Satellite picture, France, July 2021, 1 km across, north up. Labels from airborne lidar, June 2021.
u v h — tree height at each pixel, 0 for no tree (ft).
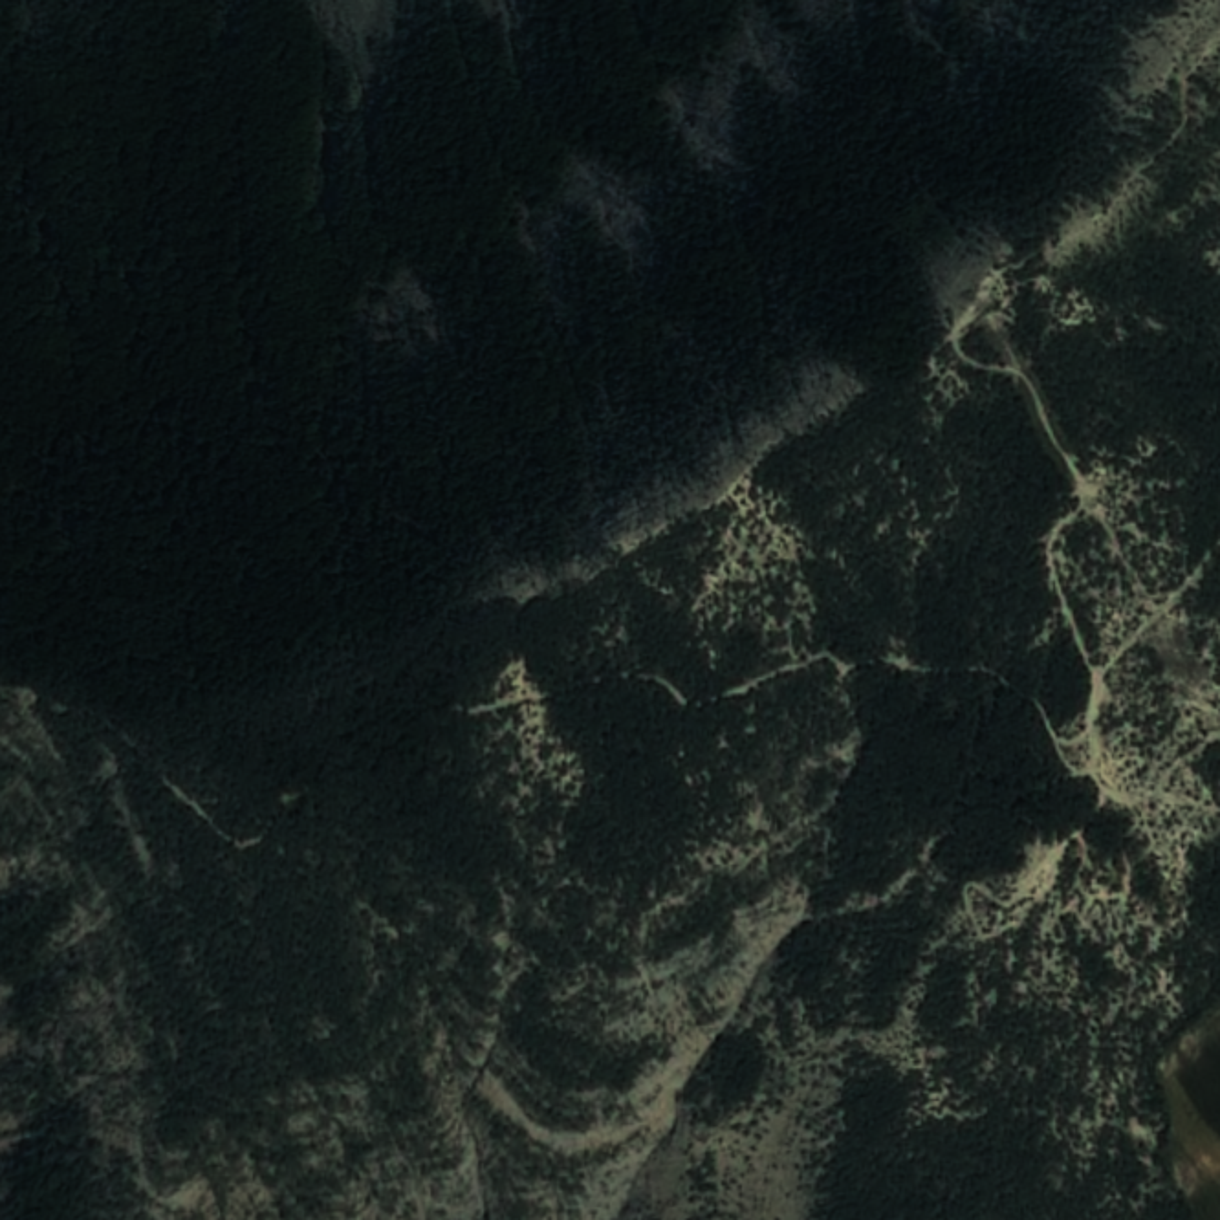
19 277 94
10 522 60
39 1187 36
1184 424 24
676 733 21
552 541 43
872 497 22
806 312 28
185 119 87
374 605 60
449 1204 0
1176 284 25
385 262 50
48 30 29
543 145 64
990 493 24
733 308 40
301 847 25
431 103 84
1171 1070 0
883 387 17
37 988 21
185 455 95
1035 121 50
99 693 51
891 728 44
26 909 21
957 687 43
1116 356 22
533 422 52
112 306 98
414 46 52
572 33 75
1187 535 21
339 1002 26
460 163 78
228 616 71
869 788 36
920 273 34
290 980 29
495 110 64
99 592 67
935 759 49
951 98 37
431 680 28
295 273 90
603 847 20
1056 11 38
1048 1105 19
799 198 69
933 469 23
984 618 22
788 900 0
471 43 52
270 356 79
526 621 37
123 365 81
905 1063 0
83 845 19
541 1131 0
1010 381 25
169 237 80
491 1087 0
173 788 25
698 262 75
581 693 42
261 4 61
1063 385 20
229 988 24
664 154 25
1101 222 0
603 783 21
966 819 35
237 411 54
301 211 72
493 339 65
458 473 68
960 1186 22
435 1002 28
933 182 53
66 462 71
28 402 78
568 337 51
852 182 47
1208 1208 0
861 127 72
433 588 55
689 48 52
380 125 65
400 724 53
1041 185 26
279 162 78
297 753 31
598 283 32
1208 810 0
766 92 45
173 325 94
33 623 66
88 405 78
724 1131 0
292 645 77
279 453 86
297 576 70
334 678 33
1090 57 28
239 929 27
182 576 85
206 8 46
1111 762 0
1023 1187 24
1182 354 36
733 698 20
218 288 91
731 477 0
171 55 84
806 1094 0
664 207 34
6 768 29
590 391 45
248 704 48
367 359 35
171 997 24
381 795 40
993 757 53
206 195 89
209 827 24
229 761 33
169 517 83
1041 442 30
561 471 47
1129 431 22
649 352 45
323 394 52
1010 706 46
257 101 93
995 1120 19
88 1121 21
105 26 46
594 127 82
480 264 26
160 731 37
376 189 77
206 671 71
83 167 88
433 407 49
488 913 21
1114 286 21
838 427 26
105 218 77
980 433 19
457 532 53
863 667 24
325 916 26
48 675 45
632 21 60
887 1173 20
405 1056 19
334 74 42
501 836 25
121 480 73
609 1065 18
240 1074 31
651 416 26
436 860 38
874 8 48
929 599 31
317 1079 22
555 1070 20
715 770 18
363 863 38
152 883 20
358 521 76
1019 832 24
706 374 37
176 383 72
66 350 105
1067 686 37
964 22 41
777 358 36
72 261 103
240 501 77
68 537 57
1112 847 17
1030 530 23
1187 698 0
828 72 57
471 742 26
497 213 63
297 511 69
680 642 20
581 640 23
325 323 78
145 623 66
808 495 22
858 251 52
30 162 109
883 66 61
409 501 65
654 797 26
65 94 91
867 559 20
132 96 91
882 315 55
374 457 86
